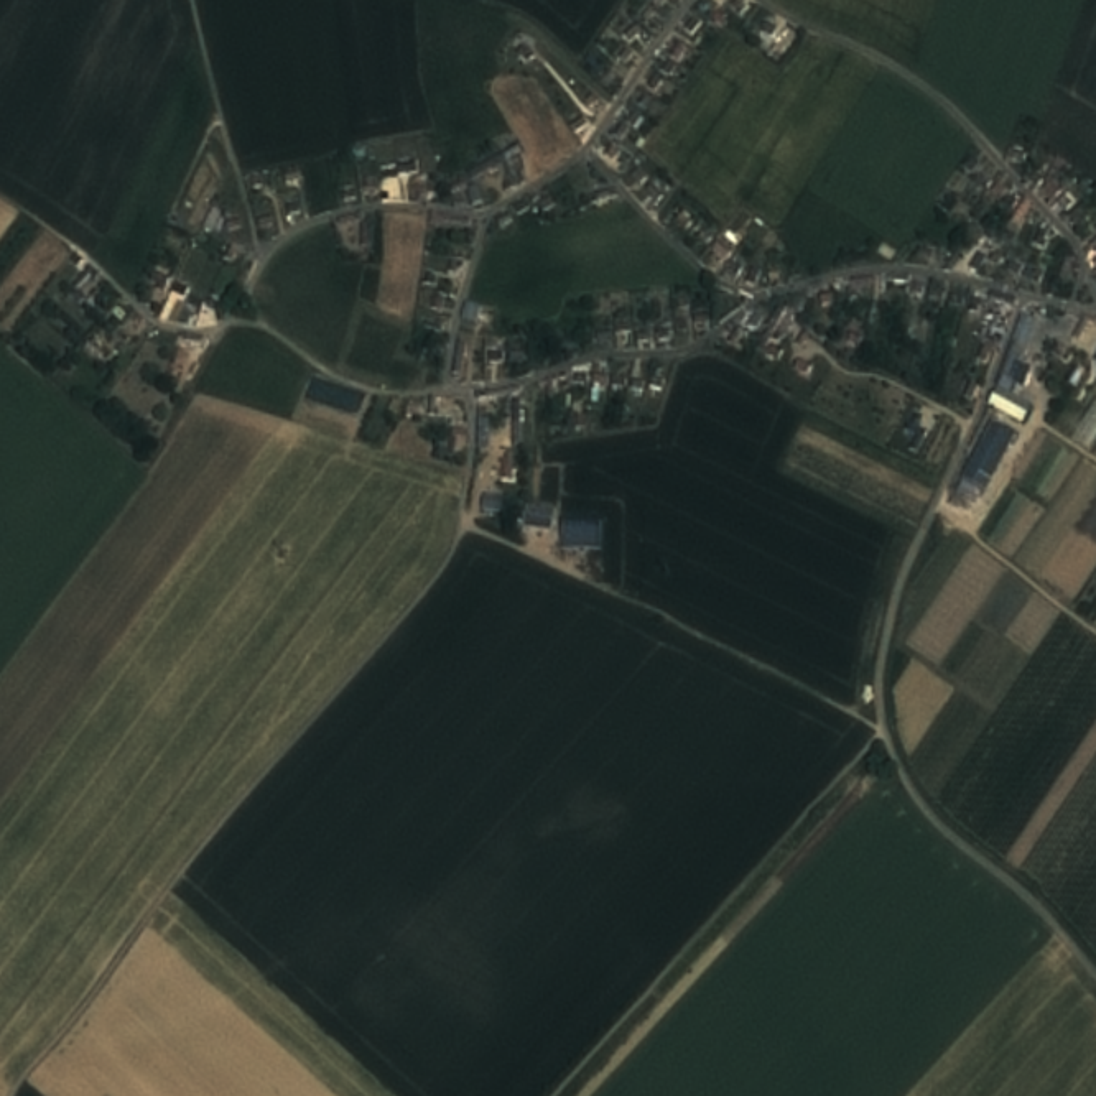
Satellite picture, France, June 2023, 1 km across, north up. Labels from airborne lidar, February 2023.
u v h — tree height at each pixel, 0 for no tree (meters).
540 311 0
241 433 0
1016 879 0
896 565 0
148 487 0
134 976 0
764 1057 0
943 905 0
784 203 0
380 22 0
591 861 0
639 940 0
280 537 0
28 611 0
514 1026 0
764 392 0
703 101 0
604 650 0
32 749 0
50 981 0
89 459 0
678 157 0
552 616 0
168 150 0
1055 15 0
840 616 0
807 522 0
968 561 0
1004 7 0
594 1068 0
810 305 6
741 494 0
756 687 0
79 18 0
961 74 0
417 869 0
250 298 12
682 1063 0
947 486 0
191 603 0
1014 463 0
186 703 0
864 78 0
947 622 0
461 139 0
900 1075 0
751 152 0
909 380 17
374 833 0
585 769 0
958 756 0
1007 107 0
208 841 0
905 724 0
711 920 0
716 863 0
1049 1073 0
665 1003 0
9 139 0
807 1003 0
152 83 0
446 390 0
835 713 0
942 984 0
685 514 0
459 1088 0
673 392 0
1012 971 0
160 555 0
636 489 0
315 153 0
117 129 0
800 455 0
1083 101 0
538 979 0
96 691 0
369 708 0
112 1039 0
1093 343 0
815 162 0
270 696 0
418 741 0
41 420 0
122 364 14
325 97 0
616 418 8
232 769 0
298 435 0
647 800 0
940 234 0
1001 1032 0
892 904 0
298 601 0
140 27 0
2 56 0
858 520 0
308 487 0
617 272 0
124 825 0
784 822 0
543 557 0
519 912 0
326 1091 0
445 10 0
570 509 0
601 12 0
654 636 0
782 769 0
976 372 10
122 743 0
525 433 0
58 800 0
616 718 0
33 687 0
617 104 0
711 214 7
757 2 0
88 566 0
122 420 13
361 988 0
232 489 0
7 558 0
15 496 0
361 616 0
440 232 8
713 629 0
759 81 0
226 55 0
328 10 0
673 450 0
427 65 0
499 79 0
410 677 0
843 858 0
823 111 0
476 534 0
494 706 0
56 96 0
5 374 0
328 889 0
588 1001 0
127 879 0
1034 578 0
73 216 0
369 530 0
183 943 0
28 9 0
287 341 0
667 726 0
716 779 0
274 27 0
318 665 0
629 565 0
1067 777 0
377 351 0
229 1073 0
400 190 0
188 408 0
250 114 0
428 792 0
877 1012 0
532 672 0
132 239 0
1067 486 0
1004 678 0
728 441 0
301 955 0
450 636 0
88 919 0
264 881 0
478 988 0
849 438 0
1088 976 0
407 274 0
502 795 0
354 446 0
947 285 0
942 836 0
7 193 0
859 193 0
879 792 0
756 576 0
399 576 0
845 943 0
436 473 0
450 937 0
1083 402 0
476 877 0
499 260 0
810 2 0
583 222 0
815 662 0
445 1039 0
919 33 0
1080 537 0
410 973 0
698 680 0
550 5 0
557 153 0
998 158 0
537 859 0
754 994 0
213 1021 0
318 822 0
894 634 0
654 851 0
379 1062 0
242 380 0
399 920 0
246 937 0
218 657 0
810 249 0
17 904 0
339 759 0
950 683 0
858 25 0
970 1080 0
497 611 0
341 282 0
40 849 0
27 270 0
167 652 0
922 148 0
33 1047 0
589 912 0
